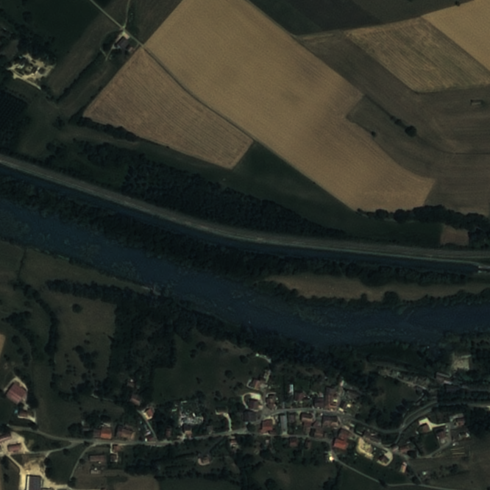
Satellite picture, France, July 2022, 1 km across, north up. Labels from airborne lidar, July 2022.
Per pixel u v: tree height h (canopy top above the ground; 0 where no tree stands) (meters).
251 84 0
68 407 0
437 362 12
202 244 13
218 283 0
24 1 12
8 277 0
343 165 0
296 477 0
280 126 0
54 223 0
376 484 0
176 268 0
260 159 0
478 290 0
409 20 0
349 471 0
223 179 0
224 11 0
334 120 0
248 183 0
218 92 0
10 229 0
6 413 0
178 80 0
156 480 13
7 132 11
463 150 0
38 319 0
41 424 0
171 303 30
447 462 0
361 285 0
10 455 0
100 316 0
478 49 0
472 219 16
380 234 0
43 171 0
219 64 0
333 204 0
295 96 0
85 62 0
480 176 0
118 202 0
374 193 0
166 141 0
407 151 0
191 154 0
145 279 0
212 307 0
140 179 27
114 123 0
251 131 0
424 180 0
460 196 0
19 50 12
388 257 0
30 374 0
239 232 0
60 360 0
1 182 22
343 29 0
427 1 0
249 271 20
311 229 16
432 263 0
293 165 0
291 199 0
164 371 0
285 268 23
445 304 9
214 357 0
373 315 0
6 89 7
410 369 16
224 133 0
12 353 0
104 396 13
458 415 0
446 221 20
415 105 0
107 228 19
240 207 21
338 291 0
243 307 0
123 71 0
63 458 0
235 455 9
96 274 0
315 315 0
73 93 0
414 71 0
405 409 14
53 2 0
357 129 0
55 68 0
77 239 0
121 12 0
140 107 0
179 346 0
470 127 0
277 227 19
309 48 0
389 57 0
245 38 0
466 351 0
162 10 0
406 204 0
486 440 0
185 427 0
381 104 0
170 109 0
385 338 0
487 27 0
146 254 23
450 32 0
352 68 0
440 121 0
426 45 0
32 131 0
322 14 0
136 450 8
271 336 37
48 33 0
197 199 21
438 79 0
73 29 0
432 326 0
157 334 7
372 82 0
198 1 0
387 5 0
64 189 0
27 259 0
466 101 0
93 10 0
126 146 0
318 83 0
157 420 15
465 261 0
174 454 6
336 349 8
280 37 0
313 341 0
